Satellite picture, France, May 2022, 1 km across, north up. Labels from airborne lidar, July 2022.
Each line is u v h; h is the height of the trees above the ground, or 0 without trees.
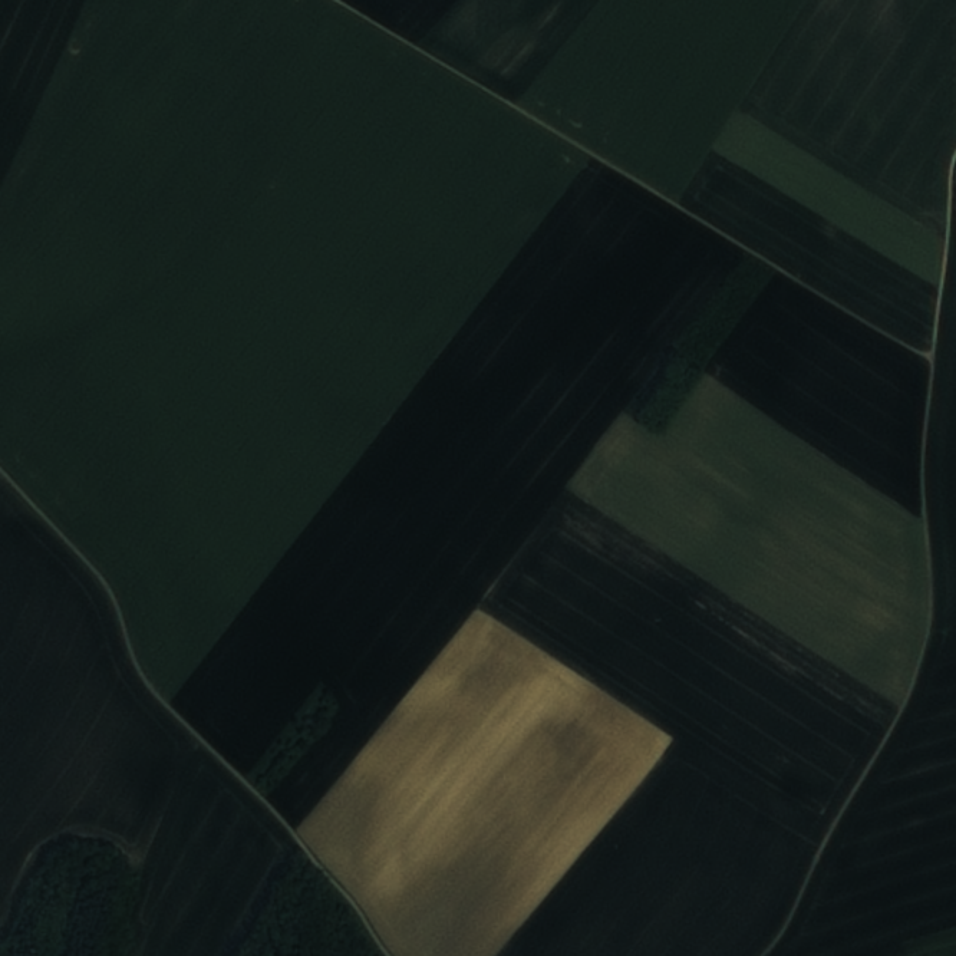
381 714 0
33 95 0
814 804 0
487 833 0
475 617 0
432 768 0
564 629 0
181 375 0
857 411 0
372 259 0
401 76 0
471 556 0
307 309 0
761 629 0
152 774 0
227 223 0
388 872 0
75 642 0
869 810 0
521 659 0
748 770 0
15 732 0
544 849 0
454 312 0
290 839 0
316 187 0
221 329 0
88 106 0
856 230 0
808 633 0
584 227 0
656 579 0
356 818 0
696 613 0
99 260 0
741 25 0
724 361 0
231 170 0
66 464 0
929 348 0
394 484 0
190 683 0
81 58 0
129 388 0
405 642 0
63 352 0
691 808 0
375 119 0
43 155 0
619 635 0
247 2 0
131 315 0
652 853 0
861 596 0
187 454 0
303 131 0
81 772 0
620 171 0
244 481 0
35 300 0
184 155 0
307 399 0
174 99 0
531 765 0
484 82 0
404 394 0
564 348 0
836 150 0
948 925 0
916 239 0
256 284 0
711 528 0
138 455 0
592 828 0
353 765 0
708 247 0
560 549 0
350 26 0
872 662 0
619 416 0
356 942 24
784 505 0
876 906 0
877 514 0
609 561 0
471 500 0
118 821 0
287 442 0
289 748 6
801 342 0
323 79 0
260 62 0
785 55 0
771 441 0
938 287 0
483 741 0
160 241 0
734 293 5
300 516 0
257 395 0
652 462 0
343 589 0
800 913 0
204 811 0
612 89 0
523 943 0
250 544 0
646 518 0
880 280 0
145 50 0
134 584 0
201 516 0
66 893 22
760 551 0
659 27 0
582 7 0
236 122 0
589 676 0
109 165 0
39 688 0
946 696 0
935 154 0
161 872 0
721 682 0
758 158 0
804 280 0
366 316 0
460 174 0
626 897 0
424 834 0
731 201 0
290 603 0
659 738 0
